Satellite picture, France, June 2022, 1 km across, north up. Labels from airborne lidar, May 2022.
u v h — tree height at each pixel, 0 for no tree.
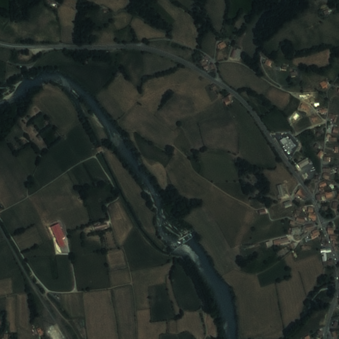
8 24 0
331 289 20
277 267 0
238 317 9
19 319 0
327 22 0
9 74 0
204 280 21
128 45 0
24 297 0
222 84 0
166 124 0
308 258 0
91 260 0
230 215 0
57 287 0
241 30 14
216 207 0
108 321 0
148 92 0
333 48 19
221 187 0
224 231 0
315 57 0
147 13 20
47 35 0
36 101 0
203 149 11
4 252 0
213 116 0
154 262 0
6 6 0
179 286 0
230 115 0
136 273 0
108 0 0
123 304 0
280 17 19
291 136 0
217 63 11
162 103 10
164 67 0
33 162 0
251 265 0
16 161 0
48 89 0
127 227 0
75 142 0
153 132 0
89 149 0
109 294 0
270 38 8
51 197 0
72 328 0
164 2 0
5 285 0
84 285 0
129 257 0
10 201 0
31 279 0
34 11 0
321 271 0
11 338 8
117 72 11
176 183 0
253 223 0
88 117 7
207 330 0
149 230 0
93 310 0
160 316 0
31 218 0
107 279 0
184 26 0
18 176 0
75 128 0
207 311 24
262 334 0
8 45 0
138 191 0
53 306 0
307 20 0
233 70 0
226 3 12
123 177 0
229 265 0
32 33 0
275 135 0
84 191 24
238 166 14
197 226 0
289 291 0
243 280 0
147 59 0
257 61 16
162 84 0
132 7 18
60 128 0
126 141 17
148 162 0
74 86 0
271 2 22
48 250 0
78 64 0
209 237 0
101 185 21
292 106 0
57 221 0
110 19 15
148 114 0
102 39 0
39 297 0
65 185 0
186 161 0
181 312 12
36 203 0
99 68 0
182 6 11
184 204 29
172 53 0
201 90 0
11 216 0
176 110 0
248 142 0
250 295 0
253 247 0
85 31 18
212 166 0
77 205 0
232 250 0
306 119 0
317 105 0
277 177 0
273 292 0
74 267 0
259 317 0
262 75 8
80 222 0
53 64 0
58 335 0
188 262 28
